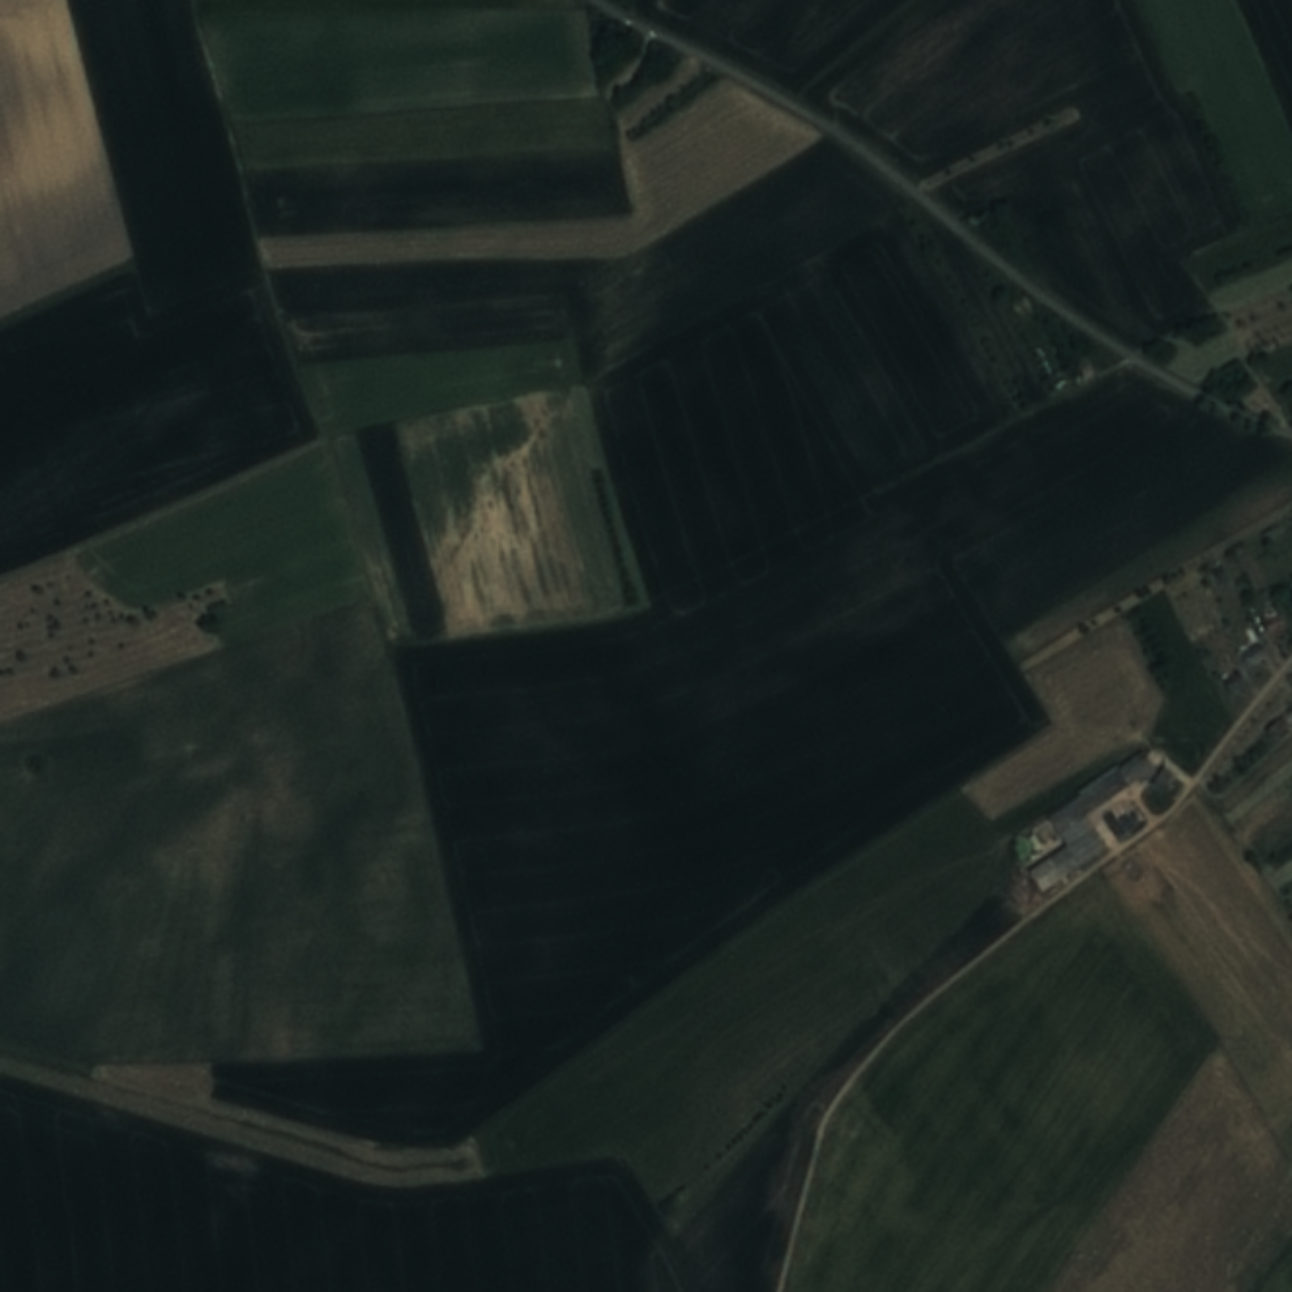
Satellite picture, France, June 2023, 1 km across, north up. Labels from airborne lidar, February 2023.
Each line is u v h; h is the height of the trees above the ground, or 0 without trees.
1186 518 0
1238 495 0
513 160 0
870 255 0
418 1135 0
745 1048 0
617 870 0
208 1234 0
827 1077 0
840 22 0
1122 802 0
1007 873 0
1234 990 0
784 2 0
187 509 0
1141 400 0
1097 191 0
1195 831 0
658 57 10
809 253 0
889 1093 0
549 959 0
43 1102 0
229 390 0
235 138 0
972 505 0
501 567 0
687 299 0
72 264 0
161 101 0
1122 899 0
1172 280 0
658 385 0
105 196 0
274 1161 0
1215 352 0
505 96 0
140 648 0
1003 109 0
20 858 0
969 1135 0
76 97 0
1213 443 0
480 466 0
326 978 0
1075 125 0
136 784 0
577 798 0
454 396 0
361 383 0
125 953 0
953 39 0
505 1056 0
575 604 0
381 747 0
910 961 0
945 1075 0
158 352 0
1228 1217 0
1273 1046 0
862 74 0
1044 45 0
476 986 0
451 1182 0
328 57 0
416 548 0
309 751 0
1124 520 0
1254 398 0
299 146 0
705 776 0
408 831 0
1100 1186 0
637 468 0
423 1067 0
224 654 0
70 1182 0
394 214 0
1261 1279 0
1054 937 0
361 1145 0
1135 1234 0
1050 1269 0
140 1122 0
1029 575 0
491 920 0
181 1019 0
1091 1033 0
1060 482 0
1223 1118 0
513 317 0
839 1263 0
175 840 0
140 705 0
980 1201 0
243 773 0
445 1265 0
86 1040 0
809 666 0
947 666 0
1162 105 0
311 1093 0
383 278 0
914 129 0
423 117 0
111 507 0
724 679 0
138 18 0
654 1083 0
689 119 0
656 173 0
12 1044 0
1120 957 0
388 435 0
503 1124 0
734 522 0
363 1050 0
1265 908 0
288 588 0
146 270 0
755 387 0
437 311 0
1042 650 0
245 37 0
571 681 0
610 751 0
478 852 0
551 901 0
